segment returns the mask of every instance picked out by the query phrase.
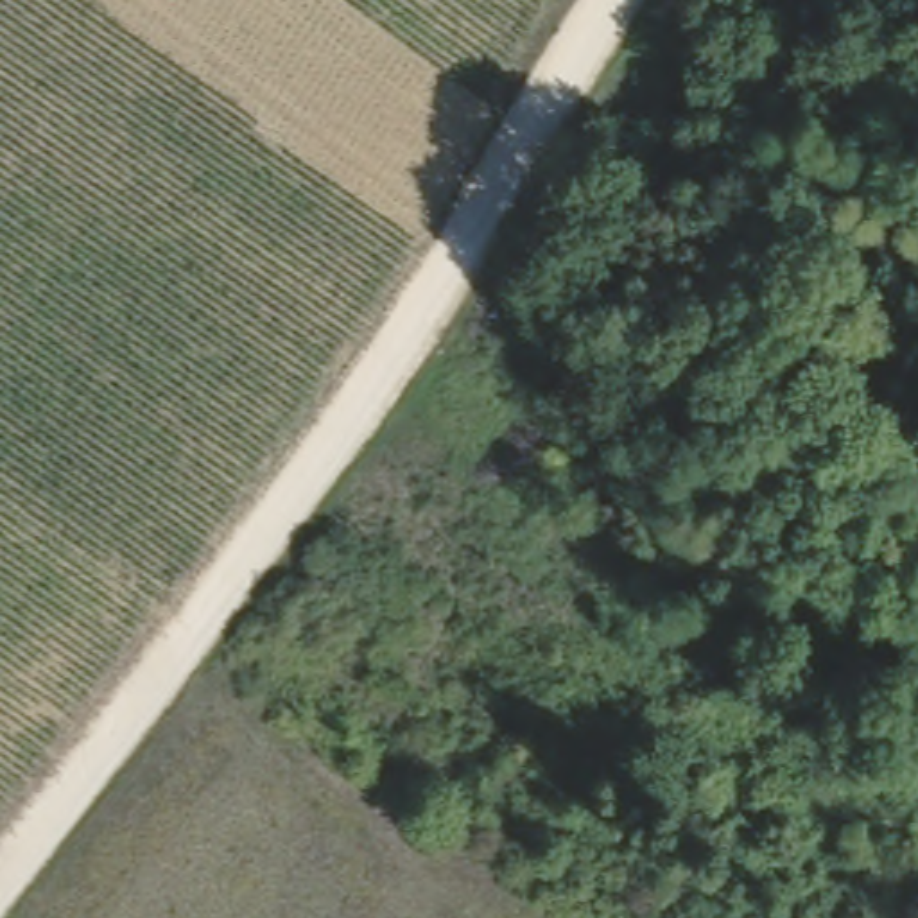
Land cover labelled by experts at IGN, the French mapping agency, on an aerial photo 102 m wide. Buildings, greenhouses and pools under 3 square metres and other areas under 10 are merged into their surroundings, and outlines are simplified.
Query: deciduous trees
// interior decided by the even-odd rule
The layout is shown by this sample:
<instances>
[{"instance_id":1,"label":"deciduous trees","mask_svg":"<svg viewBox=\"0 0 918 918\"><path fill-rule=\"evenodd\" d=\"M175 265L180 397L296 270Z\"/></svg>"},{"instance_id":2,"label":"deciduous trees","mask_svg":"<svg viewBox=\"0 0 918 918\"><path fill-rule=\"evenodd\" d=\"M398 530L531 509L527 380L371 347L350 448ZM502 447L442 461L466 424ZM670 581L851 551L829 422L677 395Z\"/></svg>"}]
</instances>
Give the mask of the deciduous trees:
<instances>
[{"instance_id":1,"label":"deciduous trees","mask_svg":"<svg viewBox=\"0 0 918 918\"><path fill-rule=\"evenodd\" d=\"M527 506L534 506L538 513L545 509L549 516L567 513L570 506L577 506L581 495L592 491L595 531L567 541L570 559L592 570L599 581L606 581L613 595L635 606L638 613L645 613L649 606L660 617L671 613L674 624L699 645L703 663L710 671L710 685L717 692L735 696L742 706L760 710L764 717L792 717L796 732L825 753L832 771L861 775L886 760L907 760L918 771L918 0L624 0L624 7L617 11L617 54L624 57L620 86L606 100L577 93L570 108L559 115L559 136L549 133L541 143L541 169L527 165L531 172L520 183L520 212L509 208L502 215L498 230L484 244L484 255L463 273L470 290L484 305L481 326L502 341L502 369L495 384L516 416L513 427L502 437L495 437L484 452L498 473L498 484Z\"/></svg>"}]
</instances>

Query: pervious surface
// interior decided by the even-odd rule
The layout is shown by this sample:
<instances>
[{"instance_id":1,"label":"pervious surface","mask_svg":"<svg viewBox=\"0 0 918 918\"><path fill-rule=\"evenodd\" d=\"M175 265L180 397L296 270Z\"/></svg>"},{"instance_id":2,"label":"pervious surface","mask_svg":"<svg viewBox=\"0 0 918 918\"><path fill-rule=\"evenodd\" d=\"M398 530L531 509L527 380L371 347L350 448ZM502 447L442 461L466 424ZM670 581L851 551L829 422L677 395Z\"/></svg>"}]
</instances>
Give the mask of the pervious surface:
<instances>
[{"instance_id":1,"label":"pervious surface","mask_svg":"<svg viewBox=\"0 0 918 918\"><path fill-rule=\"evenodd\" d=\"M86 728L86 739L75 749L68 749L61 767L29 800L22 818L0 836L0 918L4 918L18 893L32 882L32 875L68 836L68 828L93 803L93 796L118 771L118 764L143 739L143 732L172 703L179 685L201 663L201 656L212 649L230 613L240 610L240 602L247 599L251 585L287 552L294 527L316 513L319 498L337 481L337 473L380 427L384 412L398 402L402 387L423 366L430 348L437 344L441 326L455 316L459 301L470 290L463 273L484 255L484 244L498 230L502 215L509 208L520 212L520 183L531 172L527 165L541 169L541 143L549 133L559 136L559 115L570 108L577 93L606 100L620 86L624 57L617 54L617 11L624 7L624 0L577 0L563 18L559 32L552 36L552 43L545 47L545 54L538 57L531 86L509 108L509 118L491 140L481 172L463 186L463 197L448 226L437 233L437 244L391 305L373 344L362 351L362 359L355 362L341 391L330 398L330 405L319 412L312 430L298 441L280 477L237 524L226 549L219 549L212 567L197 574L197 585L183 602L179 617L169 620L161 635L143 649L140 663L122 678L111 703Z\"/></svg>"}]
</instances>

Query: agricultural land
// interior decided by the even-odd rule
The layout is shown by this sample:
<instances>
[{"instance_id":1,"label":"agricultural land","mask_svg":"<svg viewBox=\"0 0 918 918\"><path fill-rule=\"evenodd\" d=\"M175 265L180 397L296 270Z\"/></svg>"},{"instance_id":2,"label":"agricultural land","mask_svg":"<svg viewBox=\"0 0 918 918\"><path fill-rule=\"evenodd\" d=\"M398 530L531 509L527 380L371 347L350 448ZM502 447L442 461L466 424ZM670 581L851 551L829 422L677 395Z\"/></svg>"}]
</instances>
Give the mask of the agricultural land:
<instances>
[{"instance_id":1,"label":"agricultural land","mask_svg":"<svg viewBox=\"0 0 918 918\"><path fill-rule=\"evenodd\" d=\"M319 724L319 717L294 721L290 714L280 714L276 721L262 721L262 696L237 699L230 692L230 674L244 667L240 653L219 660L212 649L201 656L201 663L179 685L172 703L143 732L143 739L118 764L118 771L93 796L93 803L68 828L68 836L32 875L32 882L18 893L4 918L545 918L534 900L502 893L491 879L491 868L466 861L459 850L434 857L416 839L402 839L394 825L380 807L366 803L366 796L330 760L308 753L308 735Z\"/></svg>"}]
</instances>

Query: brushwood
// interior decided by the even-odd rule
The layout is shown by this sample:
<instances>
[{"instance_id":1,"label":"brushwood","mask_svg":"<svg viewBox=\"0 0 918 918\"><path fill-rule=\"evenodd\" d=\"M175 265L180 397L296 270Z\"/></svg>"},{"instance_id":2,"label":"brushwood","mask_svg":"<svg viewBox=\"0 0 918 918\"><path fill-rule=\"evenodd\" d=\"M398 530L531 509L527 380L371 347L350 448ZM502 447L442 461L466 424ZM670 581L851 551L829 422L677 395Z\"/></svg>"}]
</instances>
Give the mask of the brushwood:
<instances>
[{"instance_id":1,"label":"brushwood","mask_svg":"<svg viewBox=\"0 0 918 918\"><path fill-rule=\"evenodd\" d=\"M918 918L918 771L907 760L886 760L861 775L832 771L825 753L796 732L792 717L764 717L760 710L742 706L735 696L717 692L692 706L689 724L653 724L645 735L613 746L581 778L581 785L567 789L577 803L570 814L559 814L549 803L527 796L527 782L538 778L538 767L527 760L527 746L516 746L491 771L484 771L481 782L452 782L448 789L437 789L427 800L420 818L394 825L402 839L416 839L434 857L459 850L466 861L491 868L491 879L502 893L534 900L545 918Z\"/></svg>"}]
</instances>

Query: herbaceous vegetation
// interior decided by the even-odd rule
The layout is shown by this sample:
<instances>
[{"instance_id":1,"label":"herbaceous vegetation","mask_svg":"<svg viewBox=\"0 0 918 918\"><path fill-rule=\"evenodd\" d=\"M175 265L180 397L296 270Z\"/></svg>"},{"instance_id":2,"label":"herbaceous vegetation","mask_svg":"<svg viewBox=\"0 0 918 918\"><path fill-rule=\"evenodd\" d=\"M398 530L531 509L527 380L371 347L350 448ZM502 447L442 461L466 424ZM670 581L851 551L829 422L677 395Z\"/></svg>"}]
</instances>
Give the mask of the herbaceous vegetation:
<instances>
[{"instance_id":1,"label":"herbaceous vegetation","mask_svg":"<svg viewBox=\"0 0 918 918\"><path fill-rule=\"evenodd\" d=\"M498 473L484 452L495 437L502 437L513 427L516 416L495 384L502 369L502 341L481 326L484 305L470 290L459 301L455 316L441 326L437 344L430 348L423 366L402 387L398 402L384 412L380 427L337 473L337 481L319 498L316 513L294 527L287 552L251 585L247 599L240 602L240 610L230 613L212 649L219 660L240 653L244 667L230 674L230 692L237 699L262 696L262 721L276 721L280 714L290 714L294 721L319 717L319 724L308 735L308 753L330 760L366 796L366 803L380 807L394 825L420 818L427 800L437 789L448 789L452 782L481 782L484 771L491 771L516 746L527 746L527 760L538 767L538 778L527 782L527 796L549 803L559 814L570 814L577 803L567 789L581 785L581 778L613 746L645 735L653 724L689 724L692 706L717 692L710 685L710 671L703 663L699 645L674 624L671 613L660 617L649 606L645 613L638 613L635 606L613 595L606 581L599 581L592 570L570 559L567 541L595 531L592 491L581 495L577 506L570 506L567 513L549 516L545 509L538 513L534 506L527 506L498 484Z\"/></svg>"}]
</instances>

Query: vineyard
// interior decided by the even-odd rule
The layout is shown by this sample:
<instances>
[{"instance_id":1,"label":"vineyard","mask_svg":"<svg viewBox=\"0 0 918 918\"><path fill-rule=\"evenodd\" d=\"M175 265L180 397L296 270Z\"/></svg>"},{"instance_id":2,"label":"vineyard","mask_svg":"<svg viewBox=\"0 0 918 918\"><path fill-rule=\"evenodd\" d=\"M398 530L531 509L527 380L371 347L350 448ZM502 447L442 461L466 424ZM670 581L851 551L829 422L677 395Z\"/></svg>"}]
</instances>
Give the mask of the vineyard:
<instances>
[{"instance_id":1,"label":"vineyard","mask_svg":"<svg viewBox=\"0 0 918 918\"><path fill-rule=\"evenodd\" d=\"M463 186L481 172L491 140L509 118L509 108L531 86L538 57L545 54L545 47L552 43L552 36L559 32L563 18L577 0L0 0L0 836L22 818L29 800L61 767L68 749L75 749L86 739L86 728L111 703L122 678L140 663L143 649L161 635L169 620L179 617L183 602L197 585L197 574L212 567L219 549L226 549L237 524L280 477L298 441L312 430L319 412L330 405L330 398L341 391L355 362L362 359L362 351L373 344L391 305L437 244L437 233L448 226L463 197Z\"/></svg>"}]
</instances>

